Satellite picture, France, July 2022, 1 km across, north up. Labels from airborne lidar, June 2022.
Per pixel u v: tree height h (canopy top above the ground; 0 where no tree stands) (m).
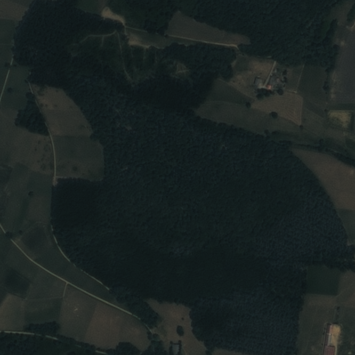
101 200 22
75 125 0
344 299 0
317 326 0
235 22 21
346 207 0
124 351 12
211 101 0
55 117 0
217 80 0
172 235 25
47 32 28
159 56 7
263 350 22
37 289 0
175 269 12
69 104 0
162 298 10
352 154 0
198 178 25
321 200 15
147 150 25
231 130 18
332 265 25
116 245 12
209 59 23
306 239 24
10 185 0
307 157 0
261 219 24
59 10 23
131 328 0
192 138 22
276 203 24
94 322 0
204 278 7
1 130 0
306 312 0
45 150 0
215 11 19
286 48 22
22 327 0
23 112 8
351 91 0
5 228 0
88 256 15
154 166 25
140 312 22
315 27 13
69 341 13
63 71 20
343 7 0
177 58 27
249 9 20
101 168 0
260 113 0
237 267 12
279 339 27
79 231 10
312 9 19
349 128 0
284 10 21
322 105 0
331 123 0
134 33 0
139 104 26
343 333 0
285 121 0
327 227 23
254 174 25
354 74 0
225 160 26
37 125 15
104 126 23
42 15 25
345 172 0
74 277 0
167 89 20
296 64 26
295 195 24
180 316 0
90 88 24
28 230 0
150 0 21
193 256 11
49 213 0
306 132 0
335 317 0
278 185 24
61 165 0
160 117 20
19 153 0
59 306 0
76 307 0
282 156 25
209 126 14
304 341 0
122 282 10
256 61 0
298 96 0
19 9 0
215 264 7
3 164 0
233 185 26
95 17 24
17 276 0
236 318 21
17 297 0
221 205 23
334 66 18
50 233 0
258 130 0
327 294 0
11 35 0
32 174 0
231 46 0
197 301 26
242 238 28
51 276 0
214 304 23
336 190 0
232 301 21
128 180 23
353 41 0
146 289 19
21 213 0
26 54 24
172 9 8
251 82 0
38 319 0
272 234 31
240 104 0
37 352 15
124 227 16
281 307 30
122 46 0
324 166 0
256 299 22
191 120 19
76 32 30
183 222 22
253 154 22
